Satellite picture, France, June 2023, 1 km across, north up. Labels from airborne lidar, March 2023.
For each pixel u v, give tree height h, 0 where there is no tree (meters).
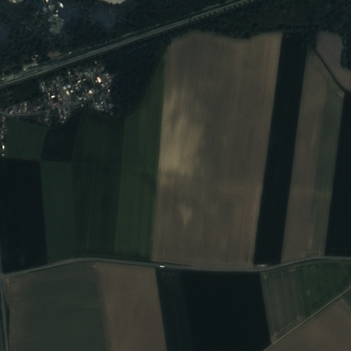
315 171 0
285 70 0
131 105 9
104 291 0
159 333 0
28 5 13
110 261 0
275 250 0
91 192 0
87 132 0
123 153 0
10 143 0
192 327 0
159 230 0
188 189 0
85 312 0
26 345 0
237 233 0
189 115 0
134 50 25
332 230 0
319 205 0
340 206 0
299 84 0
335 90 0
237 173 0
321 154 0
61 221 0
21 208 0
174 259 0
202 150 0
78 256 0
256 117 0
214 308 0
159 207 0
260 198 0
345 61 15
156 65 0
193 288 0
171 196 0
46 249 0
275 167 0
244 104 0
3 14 6
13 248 0
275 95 0
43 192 0
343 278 0
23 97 0
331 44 0
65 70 10
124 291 0
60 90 0
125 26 20
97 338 0
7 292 0
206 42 0
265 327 0
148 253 0
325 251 0
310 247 0
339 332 0
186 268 0
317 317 0
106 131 0
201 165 0
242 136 0
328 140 0
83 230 0
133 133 0
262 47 0
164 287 0
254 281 0
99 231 0
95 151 0
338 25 17
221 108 0
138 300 0
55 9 0
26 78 0
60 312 0
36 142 0
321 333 0
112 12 0
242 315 0
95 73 0
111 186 0
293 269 0
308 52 0
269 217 0
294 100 0
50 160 0
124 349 0
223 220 0
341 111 0
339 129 0
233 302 0
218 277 0
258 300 0
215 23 15
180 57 0
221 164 0
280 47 0
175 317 0
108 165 0
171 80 0
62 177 0
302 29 9
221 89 0
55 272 0
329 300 0
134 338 0
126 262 0
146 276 0
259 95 0
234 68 0
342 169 0
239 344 0
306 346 0
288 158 0
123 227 0
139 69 30
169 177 0
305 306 0
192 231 0
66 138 0
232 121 0
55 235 0
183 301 0
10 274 0
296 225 0
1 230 0
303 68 0
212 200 0
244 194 0
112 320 0
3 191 0
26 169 0
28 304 0
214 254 0
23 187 0
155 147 0
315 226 0
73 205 0
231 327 0
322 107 0
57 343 0
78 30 22
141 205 0
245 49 0
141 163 0
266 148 0
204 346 0
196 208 0
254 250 0
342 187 0
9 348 0
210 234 0
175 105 0
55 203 0
